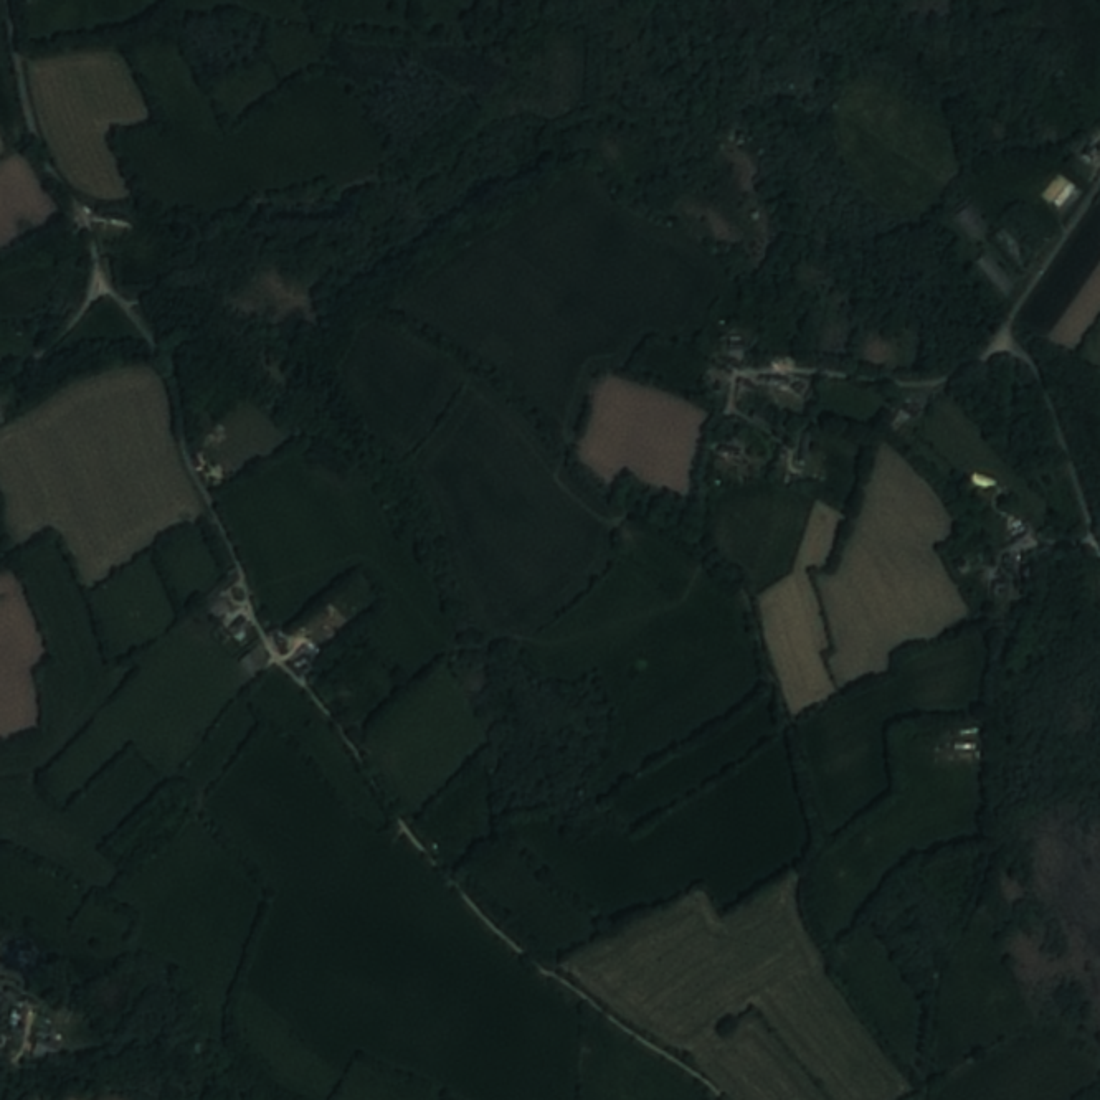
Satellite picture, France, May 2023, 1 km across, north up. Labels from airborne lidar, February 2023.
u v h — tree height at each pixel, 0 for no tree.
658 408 0
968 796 0
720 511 0
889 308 11
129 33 14
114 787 0
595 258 0
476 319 0
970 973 0
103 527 0
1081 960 0
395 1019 0
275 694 0
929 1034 13
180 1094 7
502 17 14
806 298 12
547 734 8
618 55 7
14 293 0
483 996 0
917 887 11
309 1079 0
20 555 10
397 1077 7
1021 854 8
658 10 10
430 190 9
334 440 11
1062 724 6
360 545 0
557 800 11
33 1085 10
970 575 0
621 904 0
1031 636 18
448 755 0
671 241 0
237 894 0
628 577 0
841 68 17
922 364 15
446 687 0
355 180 0
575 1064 0
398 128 22
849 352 9
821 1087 10
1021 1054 0
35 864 9
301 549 0
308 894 0
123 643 0
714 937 0
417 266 14
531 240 0
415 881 0
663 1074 0
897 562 0
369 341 0
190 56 13
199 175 0
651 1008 0
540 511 0
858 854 0
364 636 8
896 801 11
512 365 0
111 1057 10
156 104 10
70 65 0
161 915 0
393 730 0
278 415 12
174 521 0
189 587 0
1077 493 0
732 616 0
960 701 0
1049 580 9
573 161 11
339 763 0
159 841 6
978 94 7
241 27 18
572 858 0
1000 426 13
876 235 7
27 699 0
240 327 9
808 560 0
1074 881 0
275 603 0
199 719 0
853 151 0
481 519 0
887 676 8
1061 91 8
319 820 0
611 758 8
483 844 12
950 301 6
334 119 0
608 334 0
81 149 0
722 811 0
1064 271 0
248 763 0
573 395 0
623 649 0
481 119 20
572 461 11
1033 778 8
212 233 18
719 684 0
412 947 0
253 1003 0
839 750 0
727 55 9
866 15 6
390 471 9
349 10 0
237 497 0
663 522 13
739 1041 0
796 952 0
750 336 0
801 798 12
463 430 0
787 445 13
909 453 11
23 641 0
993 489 8
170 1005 11
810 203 9
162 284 11
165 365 15
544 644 0
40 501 0
